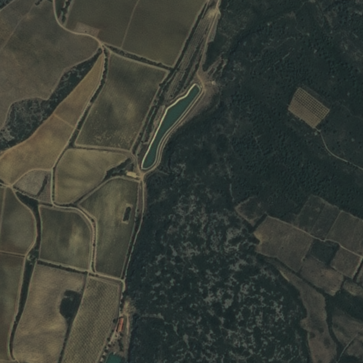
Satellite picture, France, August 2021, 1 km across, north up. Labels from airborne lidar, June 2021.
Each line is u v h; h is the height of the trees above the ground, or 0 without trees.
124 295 9
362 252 0
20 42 0
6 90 0
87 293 0
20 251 0
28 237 0
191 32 0
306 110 0
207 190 0
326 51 12
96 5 0
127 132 0
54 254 0
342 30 0
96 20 0
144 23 0
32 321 0
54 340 0
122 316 0
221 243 0
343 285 6
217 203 0
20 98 0
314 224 0
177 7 0
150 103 0
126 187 0
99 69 0
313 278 0
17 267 0
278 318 0
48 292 0
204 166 0
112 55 0
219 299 0
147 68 0
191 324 0
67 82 0
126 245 0
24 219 0
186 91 0
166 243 0
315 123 0
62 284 0
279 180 6
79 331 0
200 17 7
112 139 0
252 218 0
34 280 0
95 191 0
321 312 0
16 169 0
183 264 0
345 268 0
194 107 0
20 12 0
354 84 8
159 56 0
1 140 0
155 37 0
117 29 0
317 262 0
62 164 0
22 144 0
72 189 0
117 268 0
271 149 8
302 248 0
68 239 0
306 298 0
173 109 0
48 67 0
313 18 7
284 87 8
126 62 0
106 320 0
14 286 0
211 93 0
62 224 0
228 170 0
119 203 0
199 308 0
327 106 0
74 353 0
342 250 0
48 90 0
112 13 0
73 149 0
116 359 0
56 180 0
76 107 0
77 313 0
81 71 0
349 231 0
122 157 0
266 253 0
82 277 0
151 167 0
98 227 0
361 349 0
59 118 0
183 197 0
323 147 7
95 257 0
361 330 0
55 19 0
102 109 0
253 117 8
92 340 0
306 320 0
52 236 0
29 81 0
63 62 0
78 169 0
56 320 0
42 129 0
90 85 0
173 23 0
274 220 0
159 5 0
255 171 9
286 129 6
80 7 0
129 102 0
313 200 0
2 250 0
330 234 0
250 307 0
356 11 0
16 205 0
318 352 0
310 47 7
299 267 0
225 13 0
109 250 0
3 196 0
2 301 0
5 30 0
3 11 0
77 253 0
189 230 0
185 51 7
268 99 7
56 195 0
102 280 0
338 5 13
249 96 8
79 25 0
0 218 0
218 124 0
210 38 0
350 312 7
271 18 8
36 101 0
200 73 0
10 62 0
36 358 0
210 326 0
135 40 0
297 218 0
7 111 0
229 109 0
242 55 0
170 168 9
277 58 8
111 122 0
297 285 0
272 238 0
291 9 6
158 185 6
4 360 0
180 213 0
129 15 0
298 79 9
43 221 0
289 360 0
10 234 0
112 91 0
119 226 0
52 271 0
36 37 0
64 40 0
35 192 0
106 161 0
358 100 7
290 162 9
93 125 0
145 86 0
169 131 0
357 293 0
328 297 6
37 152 0
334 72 12
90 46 0
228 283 0
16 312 0
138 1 0
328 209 0
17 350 0
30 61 0
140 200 0
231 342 0
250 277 0
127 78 0
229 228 0
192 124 6
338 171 5
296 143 8
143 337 0
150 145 0
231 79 0
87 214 0
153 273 0
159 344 0
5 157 0
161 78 0
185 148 0
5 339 0
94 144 0
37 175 0
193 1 0
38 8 0
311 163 10
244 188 12
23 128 0
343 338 0
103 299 0
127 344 0
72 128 0
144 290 0
